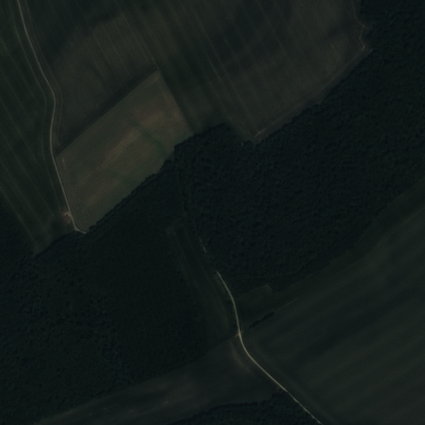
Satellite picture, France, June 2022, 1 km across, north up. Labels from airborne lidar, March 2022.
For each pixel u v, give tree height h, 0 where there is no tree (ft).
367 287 0
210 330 0
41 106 0
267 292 0
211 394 0
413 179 35
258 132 0
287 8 0
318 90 0
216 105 0
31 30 0
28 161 0
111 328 59
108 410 0
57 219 0
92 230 34
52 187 0
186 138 0
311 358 0
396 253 0
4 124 0
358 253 0
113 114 0
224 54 0
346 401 0
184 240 0
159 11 0
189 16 0
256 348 0
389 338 0
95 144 0
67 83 0
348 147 47
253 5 0
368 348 0
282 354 0
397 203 0
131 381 53
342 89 38
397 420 0
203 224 50
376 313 0
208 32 0
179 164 57
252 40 0
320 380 0
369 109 51
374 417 0
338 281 0
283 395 50
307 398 0
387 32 59
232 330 0
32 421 49
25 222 0
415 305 0
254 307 0
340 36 0
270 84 0
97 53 0
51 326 54
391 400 0
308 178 54
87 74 0
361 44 0
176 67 0
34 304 40
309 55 0
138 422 0
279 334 0
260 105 0
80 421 0
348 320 0
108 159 0
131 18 0
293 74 0
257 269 36
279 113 0
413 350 0
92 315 71
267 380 0
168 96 0
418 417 0
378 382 0
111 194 0
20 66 0
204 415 52
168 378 0
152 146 0
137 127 0
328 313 0
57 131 0
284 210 46
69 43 0
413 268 0
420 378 0
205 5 0
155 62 0
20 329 53
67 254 63
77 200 0
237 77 0
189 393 0
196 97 0
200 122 0
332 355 0
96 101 0
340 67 0
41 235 0
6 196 0
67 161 0
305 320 0
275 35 0
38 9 0
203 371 0
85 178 0
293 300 0
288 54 0
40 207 0
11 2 0
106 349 57
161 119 0
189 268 0
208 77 0
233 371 0
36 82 0
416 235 0
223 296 0
